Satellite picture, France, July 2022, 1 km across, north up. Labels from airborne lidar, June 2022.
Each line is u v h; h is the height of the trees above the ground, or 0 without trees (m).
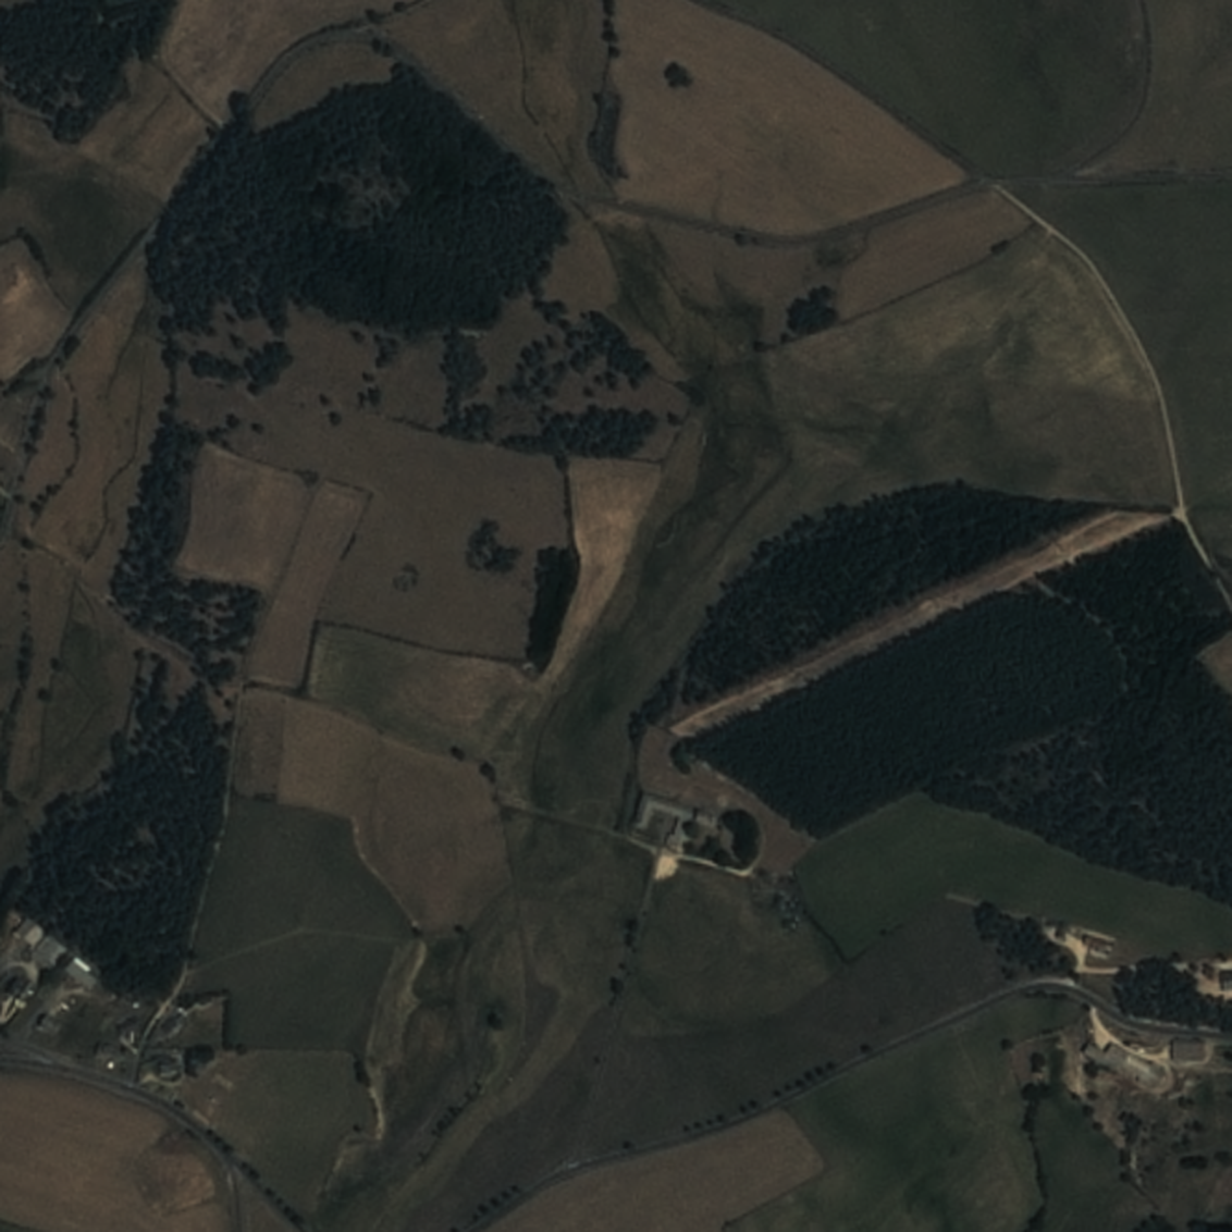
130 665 0
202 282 15
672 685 12
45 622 0
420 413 0
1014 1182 0
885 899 0
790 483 0
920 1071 0
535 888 0
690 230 0
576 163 0
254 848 0
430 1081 0
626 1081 0
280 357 16
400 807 0
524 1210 0
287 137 11
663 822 0
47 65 19
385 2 0
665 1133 0
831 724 14
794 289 0
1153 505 0
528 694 0
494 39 0
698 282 0
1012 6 0
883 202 0
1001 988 0
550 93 0
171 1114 0
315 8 0
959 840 0
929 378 0
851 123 0
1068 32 0
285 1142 0
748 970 0
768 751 15
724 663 11
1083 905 0
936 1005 0
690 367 0
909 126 0
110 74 16
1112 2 0
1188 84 0
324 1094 0
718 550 0
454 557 0
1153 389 0
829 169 0
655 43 0
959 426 0
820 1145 0
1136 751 19
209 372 13
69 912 10
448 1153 0
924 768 15
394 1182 0
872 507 12
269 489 0
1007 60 0
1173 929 0
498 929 0
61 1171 0
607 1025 0
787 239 0
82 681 0
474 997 0
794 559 14
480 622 0
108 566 0
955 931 0
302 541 0
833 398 0
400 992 0
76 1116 0
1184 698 20
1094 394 0
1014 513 12
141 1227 0
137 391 0
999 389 0
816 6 0
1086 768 17
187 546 0
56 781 0
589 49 0
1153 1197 0
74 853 19
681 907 0
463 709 0
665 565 0
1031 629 13
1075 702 13
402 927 0
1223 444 0
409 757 0
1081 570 11
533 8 0
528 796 0
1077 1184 0
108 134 0
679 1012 0
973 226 0
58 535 0
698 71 0
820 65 0
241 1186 0
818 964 0
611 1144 0
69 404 0
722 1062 0
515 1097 0
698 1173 0
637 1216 0
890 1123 0
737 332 0
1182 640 9
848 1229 0
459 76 0
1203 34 0
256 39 0
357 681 0
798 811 16
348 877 0
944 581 10
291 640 0
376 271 23
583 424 12
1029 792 0
